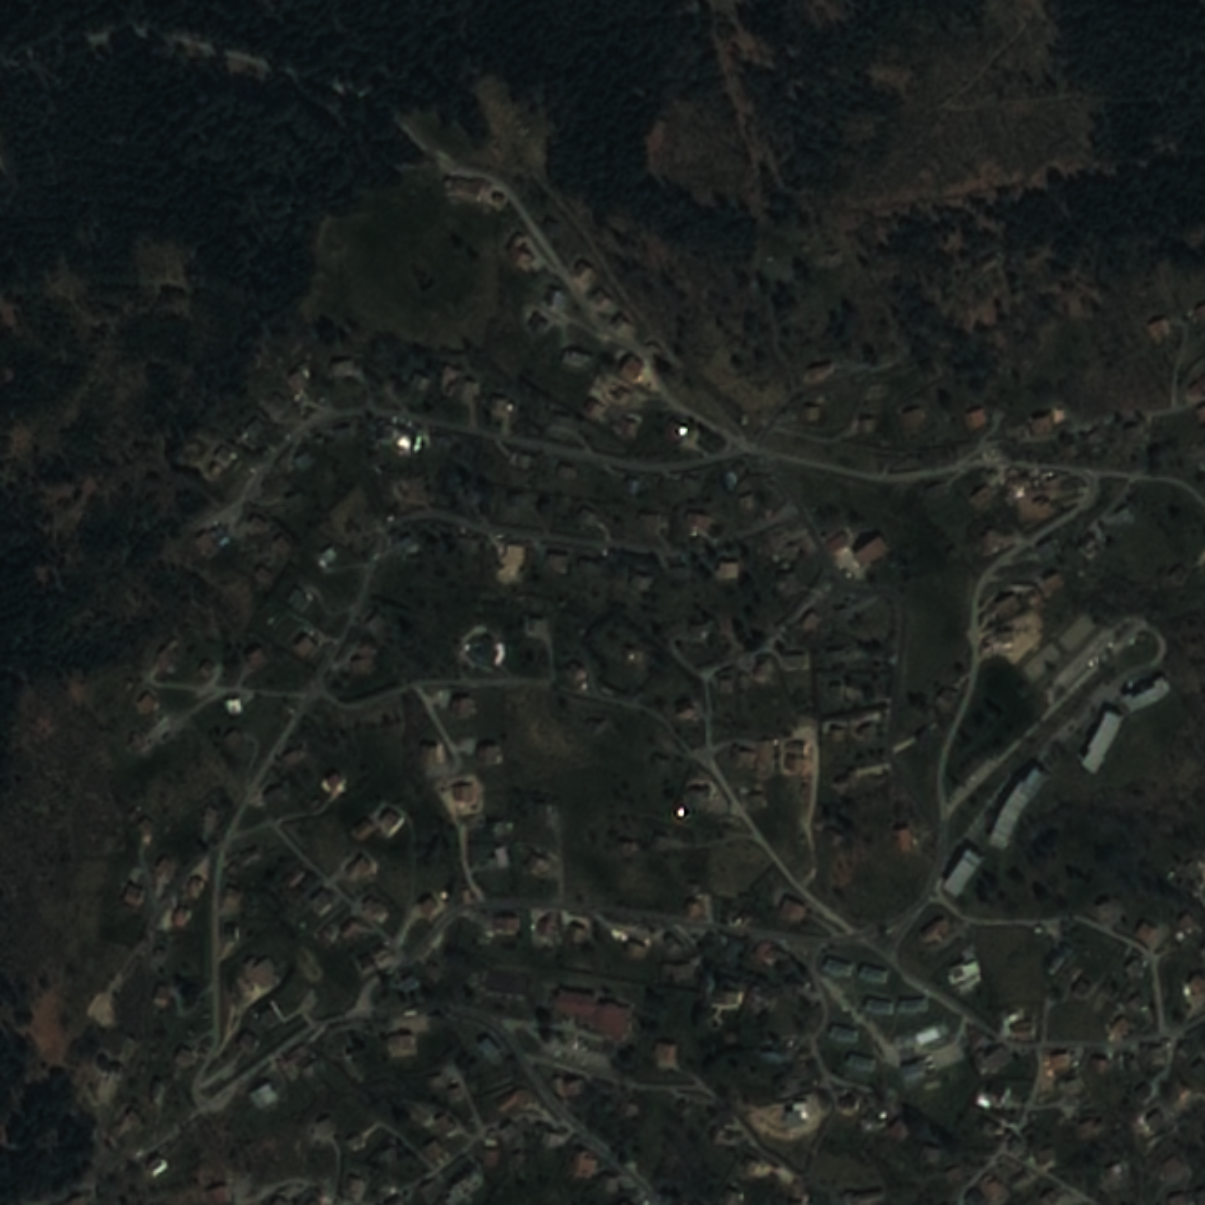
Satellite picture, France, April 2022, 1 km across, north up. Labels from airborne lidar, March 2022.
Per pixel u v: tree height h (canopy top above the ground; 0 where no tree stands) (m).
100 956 0
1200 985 0
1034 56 0
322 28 22
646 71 22
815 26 7
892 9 20
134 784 0
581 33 17
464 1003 6
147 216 24
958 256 8
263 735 0
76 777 7
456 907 0
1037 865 10
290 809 0
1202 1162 14
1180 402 0
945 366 9
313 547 0
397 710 0
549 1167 0
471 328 0
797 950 0
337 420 0
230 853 0
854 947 0
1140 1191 12
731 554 10
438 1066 7
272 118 30
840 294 0
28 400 7
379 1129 0
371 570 0
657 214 22
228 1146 6
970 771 7
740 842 0
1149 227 11
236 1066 0
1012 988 0
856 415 0
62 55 26
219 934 0
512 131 0
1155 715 0
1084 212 13
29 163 24
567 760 0
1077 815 8
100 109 22
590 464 0
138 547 6
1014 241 11
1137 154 15
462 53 11
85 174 24
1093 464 17
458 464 11
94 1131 13
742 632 13
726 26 6
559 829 0
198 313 8
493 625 0
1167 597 0
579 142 23
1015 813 0
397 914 8
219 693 0
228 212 15
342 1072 6
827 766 0
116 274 22
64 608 9
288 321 11
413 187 0
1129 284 8
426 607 8
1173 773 0
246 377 23
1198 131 20
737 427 0
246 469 0
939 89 0
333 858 0
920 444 0
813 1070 11
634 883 0
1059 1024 0
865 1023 0
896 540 0
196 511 11
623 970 0
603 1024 0
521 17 18
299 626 0
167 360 6
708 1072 7
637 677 0
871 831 0
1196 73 22
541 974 0
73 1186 19
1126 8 24
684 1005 0
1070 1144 6
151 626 8
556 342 0
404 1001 9
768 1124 0
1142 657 0
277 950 0
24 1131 22
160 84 12
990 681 0
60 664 7
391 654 6
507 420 0
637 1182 0
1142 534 0
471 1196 0
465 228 0
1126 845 18
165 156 29
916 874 0
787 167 7
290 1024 0
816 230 18
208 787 0
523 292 0
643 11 15
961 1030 0
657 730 0
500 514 0
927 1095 0
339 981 0
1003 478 0
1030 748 11
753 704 0
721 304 15
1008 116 0
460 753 0
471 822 0
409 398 7
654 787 0
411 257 0
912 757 0
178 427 8
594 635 6
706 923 0
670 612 0
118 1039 8
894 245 11
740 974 11
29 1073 11
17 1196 21
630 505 0
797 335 8
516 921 0
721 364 0
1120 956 0
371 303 0
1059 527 0
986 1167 7
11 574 22
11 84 16
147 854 0
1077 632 0
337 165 27
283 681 0
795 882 0
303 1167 0
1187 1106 0
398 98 16
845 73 12
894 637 9
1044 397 18
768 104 11
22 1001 22
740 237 21
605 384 11
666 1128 0
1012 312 6
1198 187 19
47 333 6
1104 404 13
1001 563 0
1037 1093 0
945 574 0
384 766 0
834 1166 0
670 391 0
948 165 0
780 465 0
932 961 0
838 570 0
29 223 25
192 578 7
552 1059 0
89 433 7
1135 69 26
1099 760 0
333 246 0
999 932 0
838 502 0
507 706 0
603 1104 8
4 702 17
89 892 0
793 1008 0
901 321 9
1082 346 13
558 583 0
